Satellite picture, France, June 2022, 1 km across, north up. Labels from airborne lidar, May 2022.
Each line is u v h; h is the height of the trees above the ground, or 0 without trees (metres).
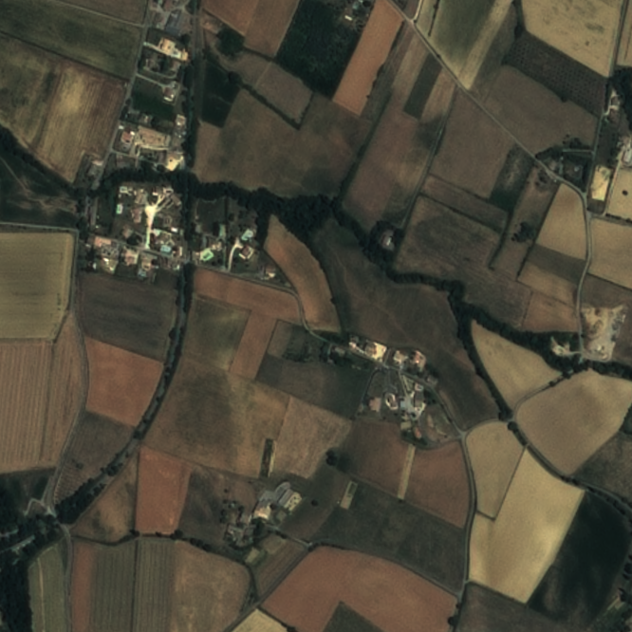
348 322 0
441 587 0
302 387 0
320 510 0
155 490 0
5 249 0
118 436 0
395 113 0
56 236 0
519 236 17
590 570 0
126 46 0
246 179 0
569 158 14
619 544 0
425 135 0
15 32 0
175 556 0
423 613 0
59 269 0
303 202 15
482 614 0
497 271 0
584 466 0
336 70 6
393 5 0
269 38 0
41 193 0
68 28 0
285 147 0
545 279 0
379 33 0
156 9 0
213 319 0
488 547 0
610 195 0
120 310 0
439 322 0
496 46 0
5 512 17
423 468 0
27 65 0
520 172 0
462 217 0
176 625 0
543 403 0
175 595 0
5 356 0
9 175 0
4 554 6
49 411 0
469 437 0
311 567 0
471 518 0
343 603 0
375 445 0
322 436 0
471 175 0
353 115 0
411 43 0
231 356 0
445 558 0
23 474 0
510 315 0
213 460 0
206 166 0
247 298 0
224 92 0
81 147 0
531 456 0
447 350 0
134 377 0
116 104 0
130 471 0
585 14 0
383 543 0
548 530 0
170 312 0
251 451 0
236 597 0
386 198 0
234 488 0
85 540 0
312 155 0
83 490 13
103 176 8
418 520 0
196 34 0
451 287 13
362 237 12
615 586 0
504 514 0
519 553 0
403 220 0
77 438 0
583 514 0
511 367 0
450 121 0
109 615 0
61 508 12
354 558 0
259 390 0
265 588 0
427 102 0
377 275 0
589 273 0
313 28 9
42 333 0
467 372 0
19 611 19
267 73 0
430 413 0
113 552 0
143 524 0
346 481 0
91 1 0
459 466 0
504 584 0
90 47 0
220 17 0
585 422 0
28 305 0
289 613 0
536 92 0
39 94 0
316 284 0
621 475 0
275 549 0
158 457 0
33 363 0
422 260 0
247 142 0
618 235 0
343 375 0
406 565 0
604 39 0
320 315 0
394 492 0
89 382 0
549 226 0
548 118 0
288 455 0
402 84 0
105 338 0
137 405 0
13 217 0
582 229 0
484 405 0
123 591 0
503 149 0
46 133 0
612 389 0
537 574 0
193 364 0
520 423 0
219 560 0
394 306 0
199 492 0
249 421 0
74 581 0
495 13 0
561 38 0
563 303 0
